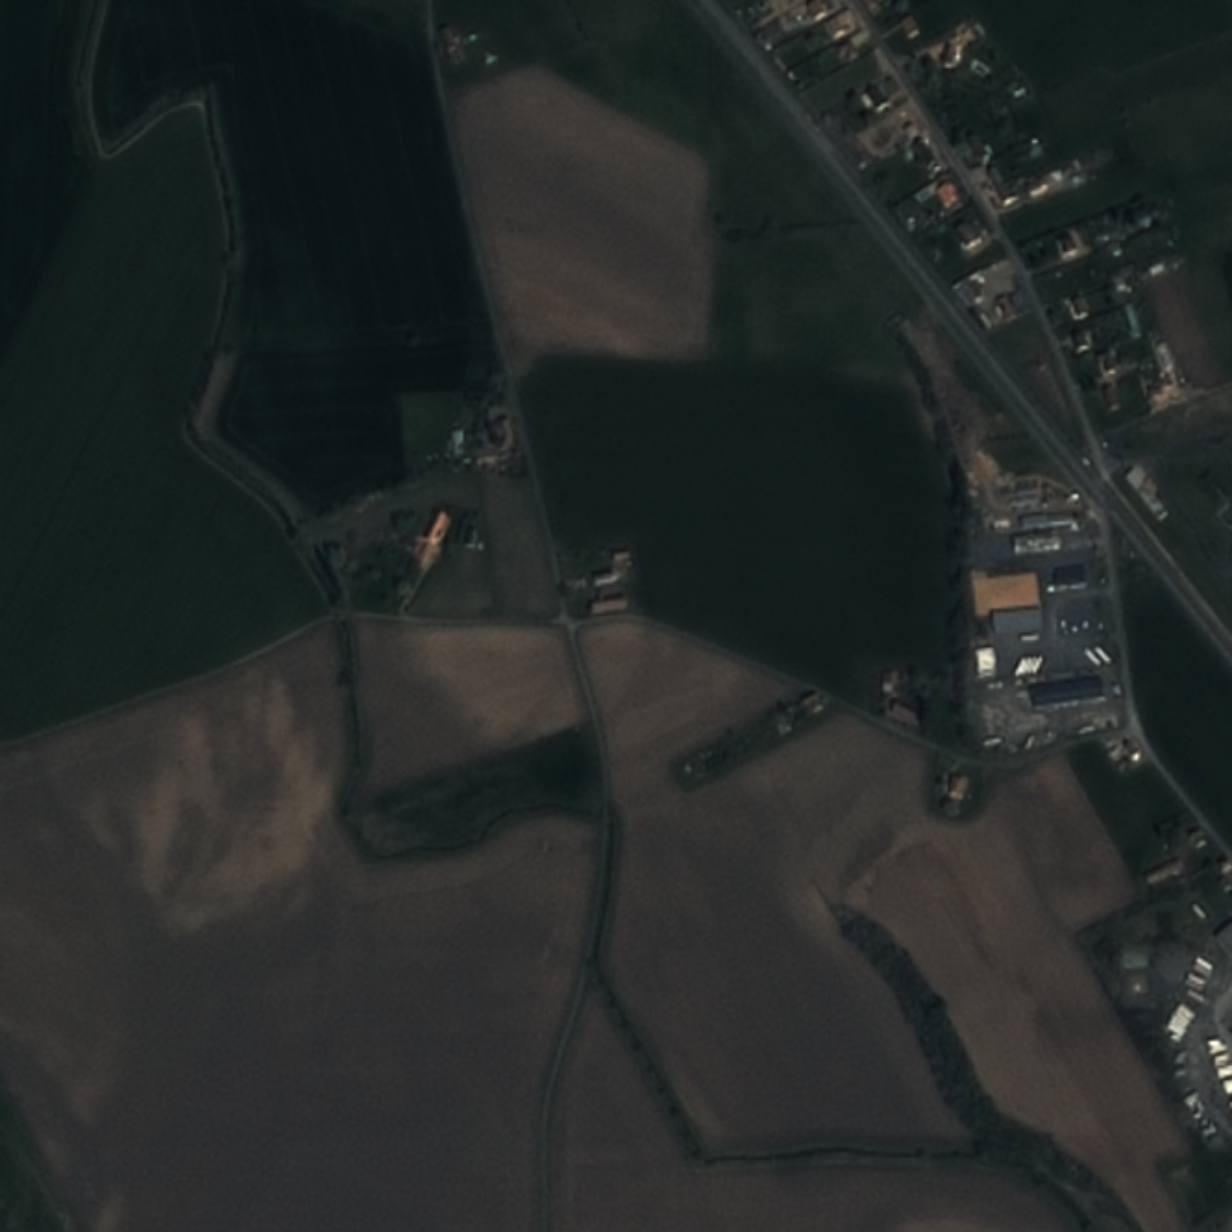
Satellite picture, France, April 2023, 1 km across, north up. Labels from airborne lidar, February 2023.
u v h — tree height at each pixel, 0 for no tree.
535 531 0
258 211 0
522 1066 0
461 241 0
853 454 0
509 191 0
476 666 0
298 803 0
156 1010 0
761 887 0
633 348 0
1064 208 0
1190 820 0
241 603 0
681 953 0
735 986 0
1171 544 0
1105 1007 0
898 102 0
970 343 0
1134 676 0
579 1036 0
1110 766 0
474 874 0
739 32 0
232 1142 0
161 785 0
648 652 0
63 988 0
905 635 0
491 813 0
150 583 0
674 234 0
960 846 0
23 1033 0
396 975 0
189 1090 0
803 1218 0
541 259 0
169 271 0
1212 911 0
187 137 0
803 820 0
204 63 0
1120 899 0
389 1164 0
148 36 0
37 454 0
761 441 0
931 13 0
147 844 0
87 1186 0
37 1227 0
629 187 0
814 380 0
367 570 7
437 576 0
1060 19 0
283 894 0
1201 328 0
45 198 0
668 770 0
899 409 0
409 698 0
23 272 0
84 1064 0
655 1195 0
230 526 0
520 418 0
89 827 0
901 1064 0
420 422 0
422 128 0
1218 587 0
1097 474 0
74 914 0
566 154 0
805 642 0
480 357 0
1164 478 0
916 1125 0
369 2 0
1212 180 0
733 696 0
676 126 0
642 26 0
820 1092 0
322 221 0
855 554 0
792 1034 0
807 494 0
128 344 0
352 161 0
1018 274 0
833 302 0
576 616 0
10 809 0
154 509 0
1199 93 0
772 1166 0
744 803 0
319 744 0
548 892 0
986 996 0
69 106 0
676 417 0
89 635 0
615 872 0
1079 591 0
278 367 0
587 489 0
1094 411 0
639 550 0
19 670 0
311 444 0
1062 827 0
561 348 0
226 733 0
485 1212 0
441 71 0
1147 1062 0
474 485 0
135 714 0
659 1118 0
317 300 0
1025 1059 0
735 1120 0
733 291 0
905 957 8
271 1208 0
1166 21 0
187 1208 0
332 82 0
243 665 0
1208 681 0
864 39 0
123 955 0
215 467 0
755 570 0
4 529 0
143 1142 0
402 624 0
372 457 0
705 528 0
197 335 0
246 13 0
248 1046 0
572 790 0
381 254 0
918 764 0
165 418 0
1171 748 0
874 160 0
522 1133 0
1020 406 0
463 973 0
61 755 0
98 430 0
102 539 0
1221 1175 0
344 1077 0
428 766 0
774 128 0
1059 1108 0
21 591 0
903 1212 0
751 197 0
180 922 0
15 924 0
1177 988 0
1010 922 0
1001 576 0
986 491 0
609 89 0
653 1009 0
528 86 0
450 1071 0
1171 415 0
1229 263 0
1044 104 0
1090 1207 0
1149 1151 0
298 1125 0
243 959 0
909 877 0
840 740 0
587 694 0
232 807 0
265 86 0
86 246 0
